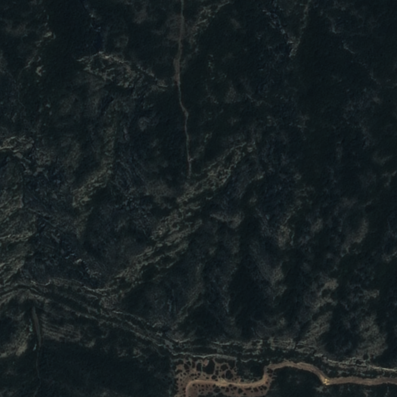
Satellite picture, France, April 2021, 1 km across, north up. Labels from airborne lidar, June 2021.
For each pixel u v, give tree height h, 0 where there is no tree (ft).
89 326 0
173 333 0
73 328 0
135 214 0
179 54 0
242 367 0
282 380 17
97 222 0
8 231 0
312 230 0
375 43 18
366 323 0
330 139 20
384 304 23
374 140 0
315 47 22
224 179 0
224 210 0
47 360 26
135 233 19
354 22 17
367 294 0
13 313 0
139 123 0
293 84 0
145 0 0
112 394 0
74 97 0
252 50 18
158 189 0
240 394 0
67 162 0
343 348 0
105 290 20
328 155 24
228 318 0
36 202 0
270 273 0
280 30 21
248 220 22
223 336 0
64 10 24
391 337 20
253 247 0
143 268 18
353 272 22
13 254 0
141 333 0
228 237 0
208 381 0
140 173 0
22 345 0
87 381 0
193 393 0
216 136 21
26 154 24
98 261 0
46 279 0
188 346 0
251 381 0
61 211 0
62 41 19
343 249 0
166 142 23
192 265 0
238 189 0
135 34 21
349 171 22
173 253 0
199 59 27
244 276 25
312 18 19
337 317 18
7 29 0
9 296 0
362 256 24
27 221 0
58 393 17
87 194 21
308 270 0
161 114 23
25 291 0
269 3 22
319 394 0
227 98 0
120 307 0
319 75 38
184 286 0
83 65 18
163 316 0
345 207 0
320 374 0
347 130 19
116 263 0
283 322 0
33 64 23
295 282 22
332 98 18
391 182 21
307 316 0
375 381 0
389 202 29
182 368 0
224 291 0
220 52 20
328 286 0
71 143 0
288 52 33
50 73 19
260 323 0
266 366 0
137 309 0
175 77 0
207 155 19
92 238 0
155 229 0
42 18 24
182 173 0
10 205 0
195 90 19
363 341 0
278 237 0
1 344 0
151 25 21
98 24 20
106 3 22
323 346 0
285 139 0
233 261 0
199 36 19
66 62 24
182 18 0
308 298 0
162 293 0
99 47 50
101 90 0
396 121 18
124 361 18
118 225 0
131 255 0
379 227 22
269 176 20
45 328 0
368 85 18
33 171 19
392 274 23
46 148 0
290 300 20
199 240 0
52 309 0
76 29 30
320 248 24
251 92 0
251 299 18
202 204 19
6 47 22
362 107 0
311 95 21
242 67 18
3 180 0
